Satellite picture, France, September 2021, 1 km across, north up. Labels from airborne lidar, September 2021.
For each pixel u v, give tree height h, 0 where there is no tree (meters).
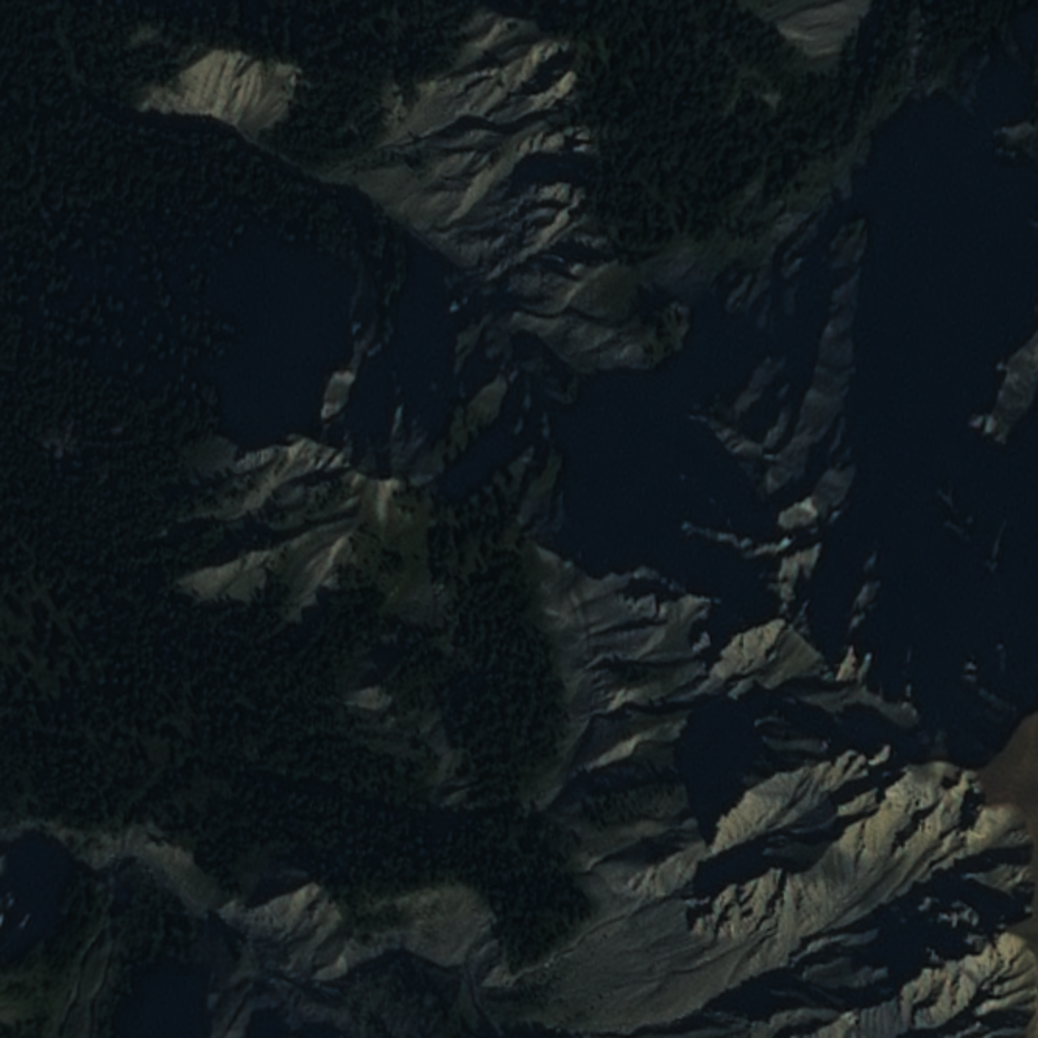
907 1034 0
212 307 10
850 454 0
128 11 14
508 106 0
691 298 0
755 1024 0
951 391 0
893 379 0
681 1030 0
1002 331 0
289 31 8
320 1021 0
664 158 22
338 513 0
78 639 0
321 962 0
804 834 0
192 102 0
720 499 0
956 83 0
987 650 0
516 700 12
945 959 0
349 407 0
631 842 0
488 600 17
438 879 17
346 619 19
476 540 17
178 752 16
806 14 0
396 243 8
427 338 0
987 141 0
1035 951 0
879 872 0
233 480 9
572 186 0
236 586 0
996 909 0
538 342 0
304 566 0
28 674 19
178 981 0
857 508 0
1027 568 0
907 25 8
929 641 0
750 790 0
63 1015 0
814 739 0
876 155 0
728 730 0
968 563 0
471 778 10
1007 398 0
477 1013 0
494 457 0
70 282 11
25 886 0
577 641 0
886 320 0
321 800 14
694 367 0
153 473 14
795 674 0
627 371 0
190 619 24
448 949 0
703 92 21
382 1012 0
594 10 22
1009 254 0
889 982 0
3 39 20
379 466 0
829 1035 0
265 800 12
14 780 11
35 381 25
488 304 0
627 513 0
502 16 0
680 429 0
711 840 0
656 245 15
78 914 17
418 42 11
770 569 0
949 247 0
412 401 0
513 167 0
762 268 0
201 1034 0
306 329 0
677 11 22
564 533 0
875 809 0
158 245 8
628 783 0
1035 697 0
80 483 28
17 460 33
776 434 0
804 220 0
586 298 0
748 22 12
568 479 0
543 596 0
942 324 0
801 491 0
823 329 0
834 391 0
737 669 0
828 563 0
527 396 0
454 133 0
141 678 9
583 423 0
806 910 0
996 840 0
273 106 0
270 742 13
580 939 0
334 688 8
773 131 8
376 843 16
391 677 14
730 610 0
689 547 0
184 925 6
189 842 18
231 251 15
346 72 22
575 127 9
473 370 0
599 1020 0
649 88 21
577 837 0
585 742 0
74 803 18
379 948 0
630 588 0
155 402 25
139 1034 0
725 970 0
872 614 0
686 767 0
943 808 0
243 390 0
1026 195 0
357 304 0
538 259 0
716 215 7
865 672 0
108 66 12
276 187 20
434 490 0
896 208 0
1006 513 0
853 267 0
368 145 7
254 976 0
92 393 19
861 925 0
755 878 0
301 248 0
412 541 0
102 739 16
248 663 20
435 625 0
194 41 14
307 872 15
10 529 21
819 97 7
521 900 15
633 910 0
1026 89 0
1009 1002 0
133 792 14
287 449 0
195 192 29
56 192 26
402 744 0
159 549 17
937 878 0
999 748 0
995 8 15
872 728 0
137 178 20
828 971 0
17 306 30
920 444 0
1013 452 0
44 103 23
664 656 0
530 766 9
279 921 0
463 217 0
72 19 21
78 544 15
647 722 0
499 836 10
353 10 10
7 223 26
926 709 0
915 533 0
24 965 11
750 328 0
